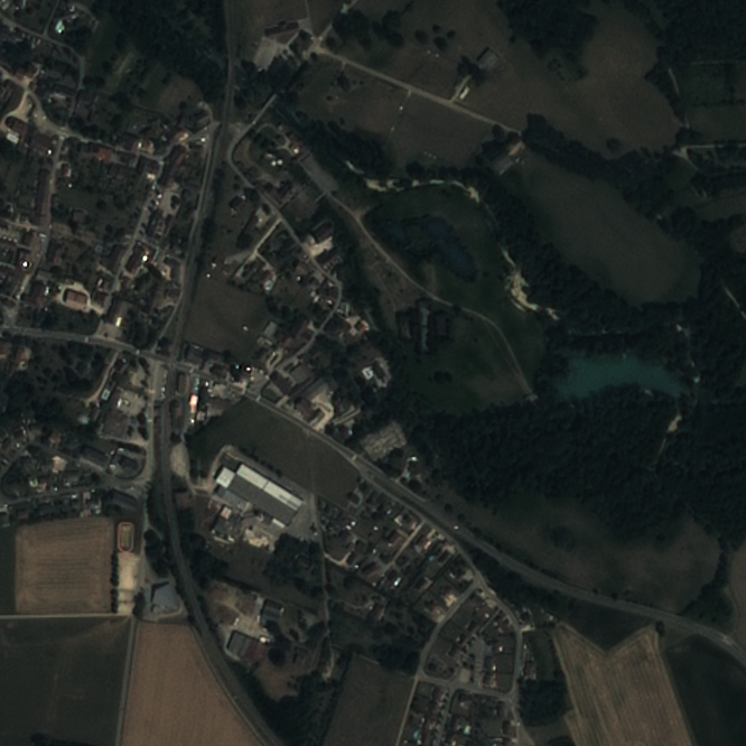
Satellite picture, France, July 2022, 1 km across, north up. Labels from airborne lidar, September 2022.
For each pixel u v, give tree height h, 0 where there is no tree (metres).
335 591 14
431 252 7
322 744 9
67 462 0
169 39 21
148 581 0
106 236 7
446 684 0
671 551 0
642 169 35
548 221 0
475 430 26
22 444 0
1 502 0
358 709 0
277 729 8
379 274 0
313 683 18
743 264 19
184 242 11
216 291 0
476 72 19
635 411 27
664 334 35
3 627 0
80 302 0
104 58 0
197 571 8
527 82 0
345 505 0
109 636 0
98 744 0
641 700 0
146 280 9
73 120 9
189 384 0
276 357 0
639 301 0
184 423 0
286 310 9
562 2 25
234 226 0
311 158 0
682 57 16
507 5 12
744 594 0
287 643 21
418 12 0
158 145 7
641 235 0
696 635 0
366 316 10
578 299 28
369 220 7
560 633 0
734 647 0
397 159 0
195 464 11
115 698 0
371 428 20
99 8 15
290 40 0
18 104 0
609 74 0
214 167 0
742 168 6
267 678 0
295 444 0
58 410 11
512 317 0
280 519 0
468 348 0
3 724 0
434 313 7
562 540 22
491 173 19
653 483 24
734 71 16
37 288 0
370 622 8
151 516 14
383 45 0
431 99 0
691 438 19
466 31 0
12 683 0
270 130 0
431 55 0
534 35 19
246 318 0
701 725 0
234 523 0
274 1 0
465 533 0
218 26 12
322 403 0
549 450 28
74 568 0
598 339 15
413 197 0
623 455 18
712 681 0
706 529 7
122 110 15
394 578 0
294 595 0
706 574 0
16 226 0
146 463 0
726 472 17
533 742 0
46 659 0
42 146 0
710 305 26
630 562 0
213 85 22
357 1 0
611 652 0
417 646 5
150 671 0
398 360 21
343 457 0
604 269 0
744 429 11
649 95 0
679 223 21
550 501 11
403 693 0
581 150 25
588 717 0
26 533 0
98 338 0
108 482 0
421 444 11
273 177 0
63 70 8
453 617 0
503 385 0
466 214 0
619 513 26
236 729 0
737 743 0
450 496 0
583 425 24
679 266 0
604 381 0
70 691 0
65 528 0
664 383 0
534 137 14
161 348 11
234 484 0
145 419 13
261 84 21
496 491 24
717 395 13
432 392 0
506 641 0
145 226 7
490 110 0
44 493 0
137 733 0
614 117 0
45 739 14
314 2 0
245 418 0
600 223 0
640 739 0
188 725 0
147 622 0
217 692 0
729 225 10
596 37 0
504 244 20
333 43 16
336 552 0
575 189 0
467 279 8
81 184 6
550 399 23
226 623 0
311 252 0
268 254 7
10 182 0
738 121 0
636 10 30
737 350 23
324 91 0
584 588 0
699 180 10
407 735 0
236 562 0
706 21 28
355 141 29
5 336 8
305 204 0
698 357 14
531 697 19
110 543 0
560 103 0
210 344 0
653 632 0
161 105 0
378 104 0
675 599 0
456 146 0
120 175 0
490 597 0
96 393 0
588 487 21
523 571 0
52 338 0
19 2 0
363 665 0
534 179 0
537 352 0
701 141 6
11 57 9
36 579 0
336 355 9
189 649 0
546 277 16
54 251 0
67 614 0
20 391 21
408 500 0
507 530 0
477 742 8
